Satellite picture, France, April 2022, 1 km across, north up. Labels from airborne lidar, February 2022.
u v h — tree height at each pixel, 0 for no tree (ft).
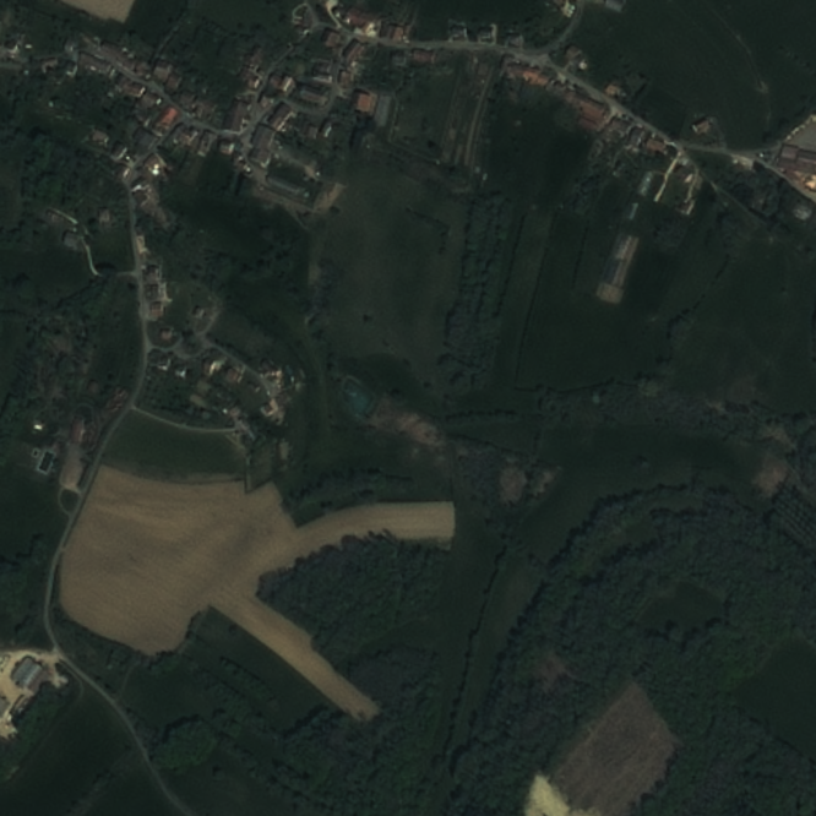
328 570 73
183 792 0
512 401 0
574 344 0
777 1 0
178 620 0
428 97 0
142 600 0
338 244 0
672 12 0
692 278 0
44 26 0
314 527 0
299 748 57
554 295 0
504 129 0
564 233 0
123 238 0
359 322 0
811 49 0
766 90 0
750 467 0
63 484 0
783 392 0
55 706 57
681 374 0
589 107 0
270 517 0
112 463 0
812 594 87
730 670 77
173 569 0
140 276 0
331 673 0
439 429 0
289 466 0
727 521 82
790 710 0
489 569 0
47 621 0
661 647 80
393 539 61
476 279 35
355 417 0
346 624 75
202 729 56
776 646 70
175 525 0
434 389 39
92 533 0
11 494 0
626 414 20
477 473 22
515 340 0
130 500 0
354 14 0
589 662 76
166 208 18
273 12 0
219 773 39
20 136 52
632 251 0
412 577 72
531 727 84
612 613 60
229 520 0
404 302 0
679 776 69
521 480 0
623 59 19
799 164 0
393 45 0
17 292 43
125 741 0
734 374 0
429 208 0
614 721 0
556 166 0
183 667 0
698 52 0
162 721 0
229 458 0
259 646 0
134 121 19
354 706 0
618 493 0
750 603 70
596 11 0
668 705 65
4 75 0
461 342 74
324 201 0
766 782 96
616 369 0
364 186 0
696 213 0
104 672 0
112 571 0
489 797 70
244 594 0
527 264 0
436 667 33
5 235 45
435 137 0
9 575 80
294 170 0
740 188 24
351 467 0
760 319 0
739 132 0
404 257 0
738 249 83
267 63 0
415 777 67
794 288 0
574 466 0
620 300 0
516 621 0
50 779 0
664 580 40
